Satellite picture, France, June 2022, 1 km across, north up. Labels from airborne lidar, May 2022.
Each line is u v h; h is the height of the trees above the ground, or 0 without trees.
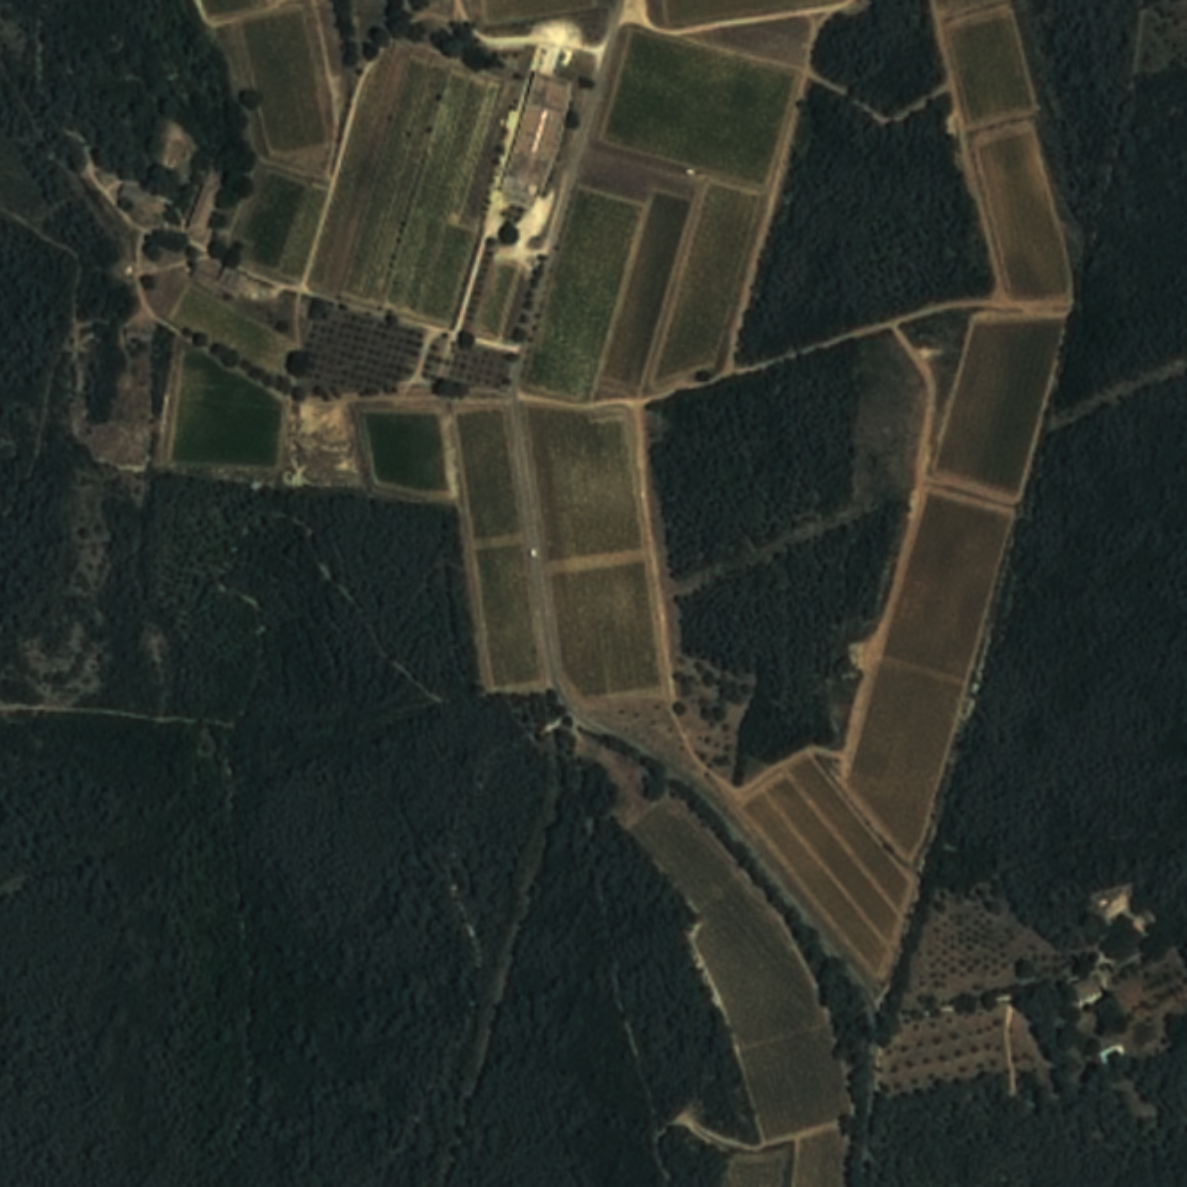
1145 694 13
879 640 0
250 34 0
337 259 0
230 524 16
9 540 14
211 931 6
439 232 0
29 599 16
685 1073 16
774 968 0
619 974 14
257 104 12
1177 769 17
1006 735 16
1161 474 9
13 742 8
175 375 0
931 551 0
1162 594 17
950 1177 16
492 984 18
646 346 0
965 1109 19
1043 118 0
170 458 0
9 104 6
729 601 15
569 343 0
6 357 14
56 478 7
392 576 12
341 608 13
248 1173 16
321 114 0
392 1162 16
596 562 0
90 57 18
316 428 0
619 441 0
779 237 6
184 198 9
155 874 8
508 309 0
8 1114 16
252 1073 9
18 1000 13
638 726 0
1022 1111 23
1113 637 16
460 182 0
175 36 14
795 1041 0
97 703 6
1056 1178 16
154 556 16
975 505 0
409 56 0
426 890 16
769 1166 0
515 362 8
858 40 8
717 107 0
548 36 0
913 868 0
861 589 16
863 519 9
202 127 8
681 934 14
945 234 14
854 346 11
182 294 0
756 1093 0
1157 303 9
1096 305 10
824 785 0
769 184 0
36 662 0
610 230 0
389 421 0
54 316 11
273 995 10
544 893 8
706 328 0
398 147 0
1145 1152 13
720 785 0
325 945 8
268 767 7
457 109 0
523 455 0
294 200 0
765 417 6
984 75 0
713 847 0
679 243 0
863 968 0
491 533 0
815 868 0
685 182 0
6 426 6
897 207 15
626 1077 8
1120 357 15
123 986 8
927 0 9
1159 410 12
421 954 12
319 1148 18
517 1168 15
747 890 0
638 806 0
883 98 16
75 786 8
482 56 14
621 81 0
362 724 7
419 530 11
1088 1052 13
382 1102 6
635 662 0
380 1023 15
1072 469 14
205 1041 17
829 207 9
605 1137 7
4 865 20
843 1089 0
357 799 11
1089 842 6
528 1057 6
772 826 0
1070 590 12
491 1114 17
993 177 0
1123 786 13
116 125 15
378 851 15
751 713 8
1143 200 7
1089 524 15
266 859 14
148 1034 8
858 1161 17
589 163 0
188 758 10
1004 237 0
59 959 14
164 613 17
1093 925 22
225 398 0
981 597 0
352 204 0
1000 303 0
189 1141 18
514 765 15
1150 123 9
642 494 0
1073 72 12
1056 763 15
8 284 6
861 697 0
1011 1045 0
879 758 0
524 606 0
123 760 7
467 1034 15
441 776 15
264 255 0
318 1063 18
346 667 9
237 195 16
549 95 0
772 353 8
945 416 0
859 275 14
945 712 0
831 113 7
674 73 0
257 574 16
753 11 0
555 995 17
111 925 10
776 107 0
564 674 0
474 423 0
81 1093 7
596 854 15
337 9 9
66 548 8
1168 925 14
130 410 0
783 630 15
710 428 14
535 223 0
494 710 15
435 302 0
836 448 14
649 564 0
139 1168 6
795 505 13
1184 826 8
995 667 13
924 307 8
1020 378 0
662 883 17
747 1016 0
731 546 14
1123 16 10
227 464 0
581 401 0
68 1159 14
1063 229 0
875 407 0
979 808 18
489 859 18
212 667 12
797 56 0
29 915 14
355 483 0
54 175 15
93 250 10
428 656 15
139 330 0
